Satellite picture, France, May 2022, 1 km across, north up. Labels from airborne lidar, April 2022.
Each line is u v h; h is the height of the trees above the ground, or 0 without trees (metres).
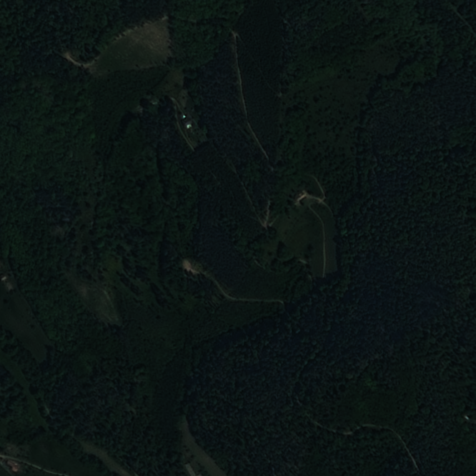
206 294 23
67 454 0
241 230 6
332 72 24
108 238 26
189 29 20
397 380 16
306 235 0
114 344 11
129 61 0
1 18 34
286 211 26
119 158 29
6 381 36
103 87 6
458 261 23
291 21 21
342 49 23
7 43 31
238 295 9
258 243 17
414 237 28
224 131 29
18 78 23
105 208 23
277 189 22
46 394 18
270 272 7
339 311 19
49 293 23
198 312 10
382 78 20
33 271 23
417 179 31
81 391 18
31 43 24
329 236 0
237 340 33
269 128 6
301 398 19
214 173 9
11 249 22
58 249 18
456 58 21
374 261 33
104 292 0
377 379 22
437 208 26
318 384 28
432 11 28
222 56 27
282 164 20
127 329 9
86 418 33
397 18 31
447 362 24
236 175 9
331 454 25
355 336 32
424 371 16
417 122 23
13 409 38
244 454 14
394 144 25
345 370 27
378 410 20
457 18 26
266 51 7
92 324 24
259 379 28
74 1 25
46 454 0
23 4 32
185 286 15
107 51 0
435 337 21
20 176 21
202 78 36
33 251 22
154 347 9
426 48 26
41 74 22
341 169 9
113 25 23
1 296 0
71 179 7
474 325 40
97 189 7
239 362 31
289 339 31
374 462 12
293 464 32
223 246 28
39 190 27
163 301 39
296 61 19
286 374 30
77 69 14
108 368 9
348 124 7
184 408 20
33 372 15
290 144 19
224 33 24
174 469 29
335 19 22
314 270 0
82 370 13
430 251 26
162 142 31
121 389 30
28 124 22
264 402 26
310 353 31
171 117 34
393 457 7
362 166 22
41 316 24
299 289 11
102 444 29
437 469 24
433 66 25
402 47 9
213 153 9
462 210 14
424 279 26
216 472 0
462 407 12
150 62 0
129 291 0
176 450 7
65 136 11
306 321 36
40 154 20
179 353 8
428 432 25
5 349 27
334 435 16
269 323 10
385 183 31
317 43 19
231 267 23
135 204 23
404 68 25
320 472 11
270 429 27
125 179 26
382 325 28
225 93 28
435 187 26
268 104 8
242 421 32
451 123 25
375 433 25
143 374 27
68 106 10
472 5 25
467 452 22
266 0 7
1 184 16
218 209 8
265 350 31
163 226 25
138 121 32
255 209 20
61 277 23
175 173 29
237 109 24
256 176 18
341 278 25
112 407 33
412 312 28
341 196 11
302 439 29
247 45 7
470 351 34
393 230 29
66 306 22
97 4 22
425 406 24
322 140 0
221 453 32
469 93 27
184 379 8
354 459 23
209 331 7
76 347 17
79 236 0
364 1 14
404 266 27
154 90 6
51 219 8
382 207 27
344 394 10
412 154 25
